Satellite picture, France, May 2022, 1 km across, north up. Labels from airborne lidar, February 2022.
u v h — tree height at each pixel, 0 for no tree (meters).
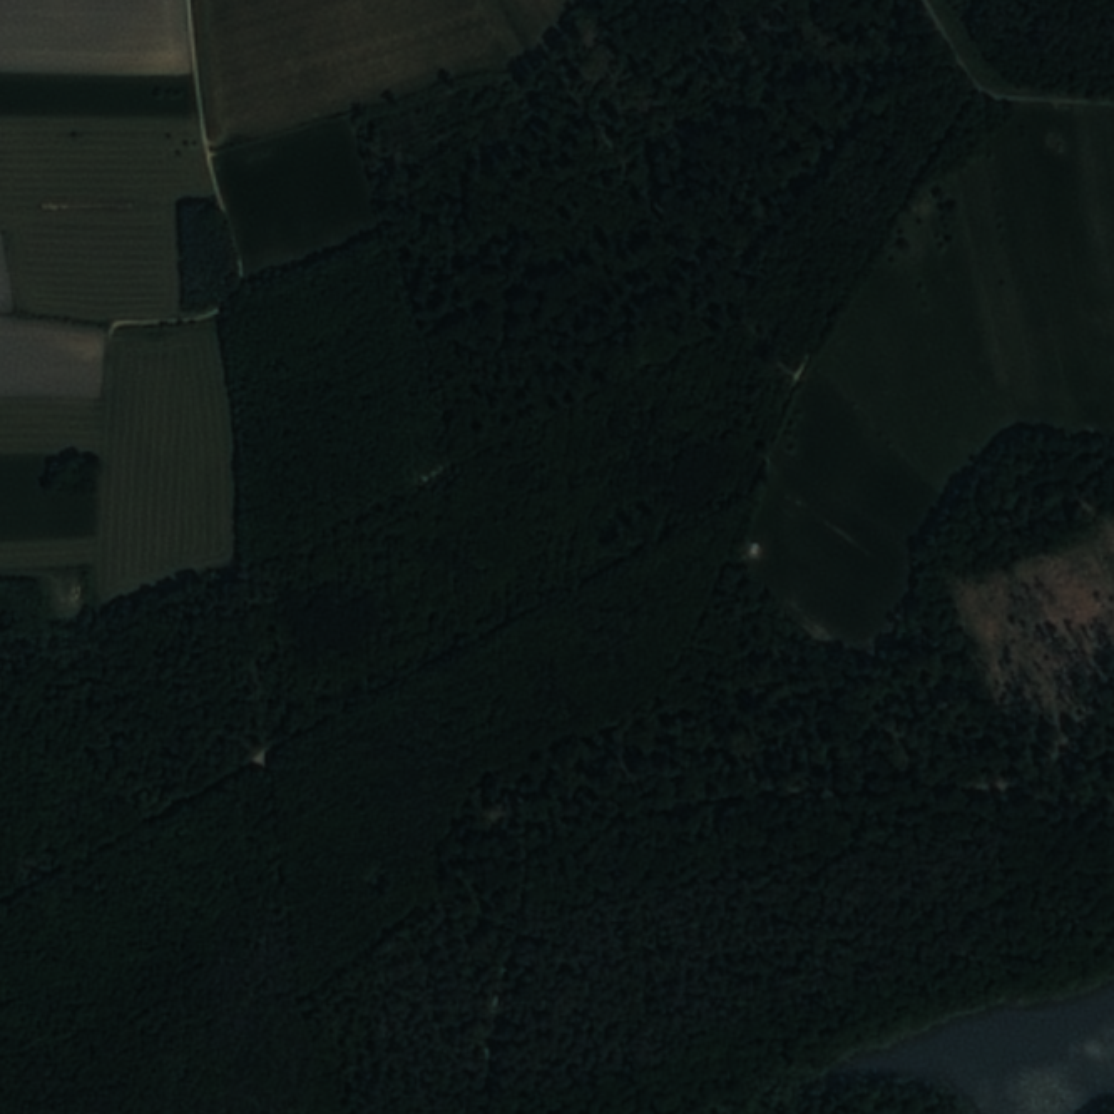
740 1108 23
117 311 0
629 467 10
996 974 19
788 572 0
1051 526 23
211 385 0
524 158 27
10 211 0
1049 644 25
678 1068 25
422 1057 27
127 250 0
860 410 0
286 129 0
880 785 27
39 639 24
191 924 19
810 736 31
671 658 14
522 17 0
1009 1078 0
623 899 23
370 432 18
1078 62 19
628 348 29
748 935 29
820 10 31
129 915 19
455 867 26
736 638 18
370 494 15
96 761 24
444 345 22
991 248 0
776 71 23
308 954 13
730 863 24
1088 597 27
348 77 0
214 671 26
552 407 27
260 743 22
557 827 22
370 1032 28
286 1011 13
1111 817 25
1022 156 0
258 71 0
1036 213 0
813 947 29
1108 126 0
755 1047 23
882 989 24
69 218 0
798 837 27
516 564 9
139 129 0
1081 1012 0
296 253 0
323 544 8
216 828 20
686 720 28
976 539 28
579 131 29
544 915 26
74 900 20
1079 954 23
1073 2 24
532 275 29
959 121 15
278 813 15
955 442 0
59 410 0
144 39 0
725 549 14
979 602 0
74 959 18
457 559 14
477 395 30
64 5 0
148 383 0
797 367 11
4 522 0
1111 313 0
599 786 27
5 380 0
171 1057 12
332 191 0
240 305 14
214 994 17
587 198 9
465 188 26
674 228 28
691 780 28
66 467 15
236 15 0
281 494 14
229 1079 16
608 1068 26
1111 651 27
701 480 15
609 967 29
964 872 22
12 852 18
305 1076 16
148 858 21
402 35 0
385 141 0
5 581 11
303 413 17
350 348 18
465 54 0
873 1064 0
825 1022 25
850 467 0
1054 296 0
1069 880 24
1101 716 29
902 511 0
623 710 16
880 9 27
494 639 15
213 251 14
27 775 20
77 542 0
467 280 29
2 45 0
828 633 0
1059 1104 0
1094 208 0
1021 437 20
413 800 15
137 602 18
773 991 26
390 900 13
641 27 30
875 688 33
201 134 0
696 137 31
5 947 18
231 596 24
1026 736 28
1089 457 26
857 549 0
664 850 20
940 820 26
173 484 0
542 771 9
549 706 15
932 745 29
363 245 14
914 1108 20
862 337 0
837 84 29
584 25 0
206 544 0
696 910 23
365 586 6
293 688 8
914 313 0
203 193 0
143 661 24
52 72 0
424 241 26
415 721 16
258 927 19
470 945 27
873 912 25
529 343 28
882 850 25
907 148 19
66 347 0
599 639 15
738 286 20
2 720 19
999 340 0
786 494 0
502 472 13
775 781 30
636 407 9
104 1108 15
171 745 26
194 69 0
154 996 16
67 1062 15
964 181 0
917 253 0
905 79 22
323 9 0
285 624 7
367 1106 26
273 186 0
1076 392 0
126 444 0
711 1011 29
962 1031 0
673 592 14
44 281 0
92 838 23
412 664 10
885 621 0
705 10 26
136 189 0
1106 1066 0
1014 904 24
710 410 7
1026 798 25
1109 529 0
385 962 21
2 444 0
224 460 0
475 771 14
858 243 21
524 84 28
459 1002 28
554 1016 27
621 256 29
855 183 23
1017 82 16
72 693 25
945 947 24
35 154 0
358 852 14
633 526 33
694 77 27
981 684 28
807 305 19
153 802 19
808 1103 20
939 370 0
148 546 0
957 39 0
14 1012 21
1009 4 22
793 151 28
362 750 16
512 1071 28
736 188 26
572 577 8
